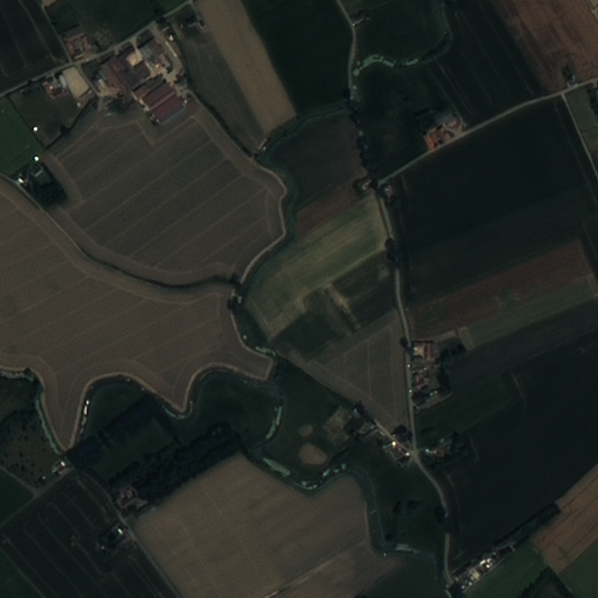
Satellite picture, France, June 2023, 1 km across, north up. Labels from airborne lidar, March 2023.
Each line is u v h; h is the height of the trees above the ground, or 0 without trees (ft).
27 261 0
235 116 0
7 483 0
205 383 0
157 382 0
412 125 0
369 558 0
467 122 0
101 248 0
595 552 0
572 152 0
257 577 0
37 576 0
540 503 0
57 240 0
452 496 0
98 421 0
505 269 0
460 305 0
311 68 0
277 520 0
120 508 23
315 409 0
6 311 0
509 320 0
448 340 0
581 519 0
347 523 0
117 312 0
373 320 0
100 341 0
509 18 0
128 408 0
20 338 0
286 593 0
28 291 0
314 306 0
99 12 0
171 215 0
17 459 0
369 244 0
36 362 0
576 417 0
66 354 0
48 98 0
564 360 0
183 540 0
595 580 0
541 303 0
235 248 0
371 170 93
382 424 0
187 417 0
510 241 0
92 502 0
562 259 0
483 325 0
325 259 0
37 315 0
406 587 0
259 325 0
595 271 0
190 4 0
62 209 0
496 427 0
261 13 0
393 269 0
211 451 56
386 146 0
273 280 0
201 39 0
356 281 0
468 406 0
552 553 0
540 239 0
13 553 0
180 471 59
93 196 0
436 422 0
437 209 0
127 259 0
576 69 0
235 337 0
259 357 0
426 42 0
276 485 0
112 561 0
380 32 0
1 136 0
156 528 0
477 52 0
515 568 0
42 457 0
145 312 0
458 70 0
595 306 0
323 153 0
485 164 0
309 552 0
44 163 0
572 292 0
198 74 0
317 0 0
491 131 0
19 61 0
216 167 0
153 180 0
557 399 0
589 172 0
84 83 0
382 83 0
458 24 0
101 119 0
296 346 0
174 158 0
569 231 0
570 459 0
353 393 0
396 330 0
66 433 0
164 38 0
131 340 0
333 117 0
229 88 0
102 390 0
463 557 0
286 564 0
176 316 0
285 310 0
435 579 0
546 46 0
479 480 0
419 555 0
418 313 0
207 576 0
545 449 0
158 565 0
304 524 0
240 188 0
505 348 0
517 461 0
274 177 0
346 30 0
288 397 0
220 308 0
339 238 0
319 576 0
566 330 0
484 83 0
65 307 0
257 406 0
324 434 0
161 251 0
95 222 0
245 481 0
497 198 0
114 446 0
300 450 0
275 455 0
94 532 0
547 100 0
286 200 0
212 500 0
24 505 0
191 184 0
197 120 0
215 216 0
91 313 0
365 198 0
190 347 0
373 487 0
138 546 0
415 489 0
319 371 0
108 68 0
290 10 0
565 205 0
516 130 0
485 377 0
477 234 0
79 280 0
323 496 0
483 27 0
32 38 0
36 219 0
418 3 0
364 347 0
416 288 0
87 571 0
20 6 0
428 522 0
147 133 0
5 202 0
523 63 0
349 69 0
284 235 0
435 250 0
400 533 0
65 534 0
